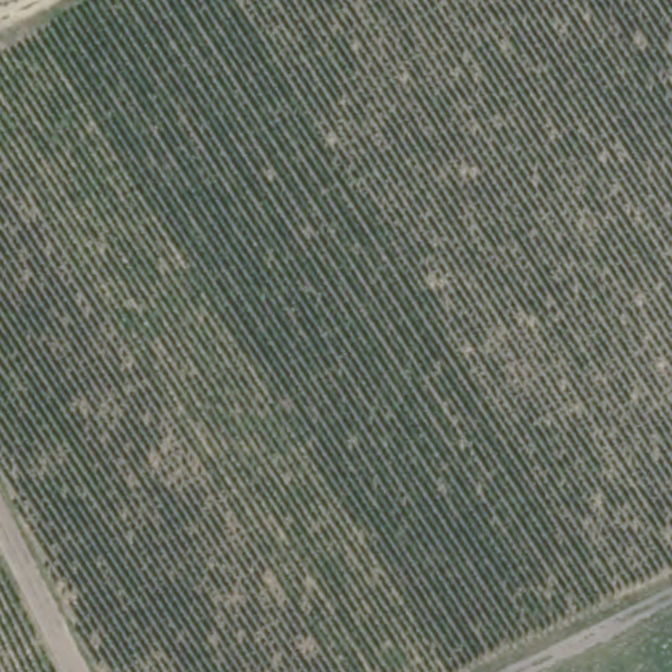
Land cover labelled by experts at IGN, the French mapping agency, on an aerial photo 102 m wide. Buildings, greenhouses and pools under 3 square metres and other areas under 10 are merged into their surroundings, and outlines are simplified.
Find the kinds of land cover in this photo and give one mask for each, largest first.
<instances>
[{"label":"vineyard","instance_id":"1","mask_svg":"<svg viewBox=\"0 0 672 672\"><path fill-rule=\"evenodd\" d=\"M50 24L45 29H39L32 39L0 53V496L13 515L16 530L29 557L34 559L42 580L50 588L58 614L76 635V646L87 662L81 672H475L470 667V659L496 648L501 641L522 638L564 617V599L570 593L575 596V606L583 609L596 604L604 593H614L617 588L651 578L662 567L672 564V0H60L47 11ZM0 672H58L47 656L42 635L37 633V625L32 622L21 601L11 570L0 557Z\"/></svg>","mask_w":672,"mask_h":672},{"label":"herbaceous vegetation","instance_id":"2","mask_svg":"<svg viewBox=\"0 0 672 672\"><path fill-rule=\"evenodd\" d=\"M50 24L47 11H39L37 16L16 21L13 26L0 32V53L32 39L39 29H45ZM664 588H672V564L662 567L651 578L617 588L614 593H604L596 604L583 609L575 606V596L570 593L564 599V617L522 638L501 641L496 648L470 659V667L475 672H517L515 667L525 656L543 651L580 630H588L638 601L651 599Z\"/></svg>","mask_w":672,"mask_h":672},{"label":"pervious surface","instance_id":"3","mask_svg":"<svg viewBox=\"0 0 672 672\"><path fill-rule=\"evenodd\" d=\"M60 0H0V32L13 26L16 21L37 16L39 11H47ZM0 557L11 570L21 601L32 622L37 625V633L42 635L47 656L58 672H81L87 662L76 646V635L58 614L50 588L42 580L34 559L29 557L16 530L13 515L0 496Z\"/></svg>","mask_w":672,"mask_h":672},{"label":"agricultural land","instance_id":"4","mask_svg":"<svg viewBox=\"0 0 672 672\"><path fill-rule=\"evenodd\" d=\"M557 672H672V606L638 622L625 633H617L612 641L567 659Z\"/></svg>","mask_w":672,"mask_h":672},{"label":"impervious surface","instance_id":"5","mask_svg":"<svg viewBox=\"0 0 672 672\"><path fill-rule=\"evenodd\" d=\"M672 606V588H664L651 599L638 601L588 630H580L543 651L525 656L515 667L517 672H557L567 659L612 641L617 633H625L638 622Z\"/></svg>","mask_w":672,"mask_h":672}]
</instances>
